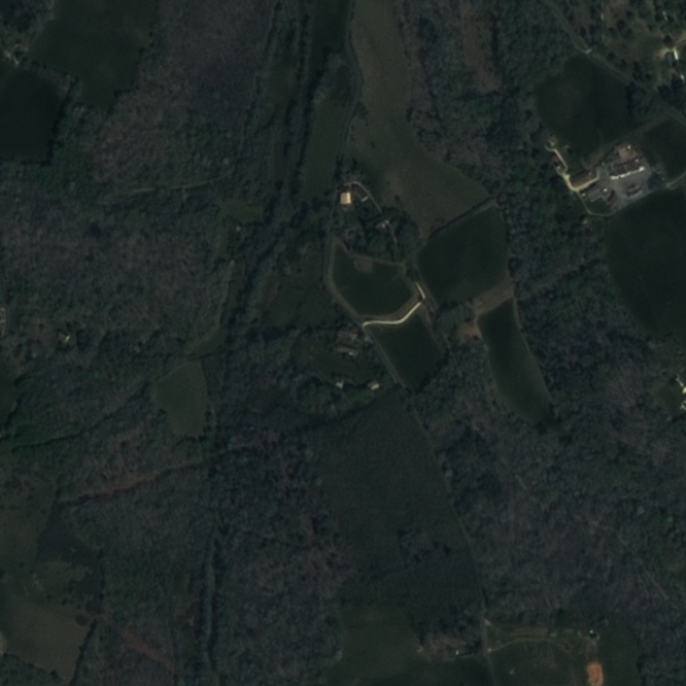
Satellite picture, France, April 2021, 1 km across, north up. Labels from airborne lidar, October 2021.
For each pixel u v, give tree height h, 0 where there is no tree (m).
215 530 8
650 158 0
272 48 22
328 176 0
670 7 22
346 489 10
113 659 7
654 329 0
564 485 19
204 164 18
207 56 14
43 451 16
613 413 22
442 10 18
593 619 16
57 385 18
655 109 18
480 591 19
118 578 21
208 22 13
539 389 0
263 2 12
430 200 0
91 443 18
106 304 20
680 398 0
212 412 14
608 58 14
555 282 21
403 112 0
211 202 14
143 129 11
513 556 15
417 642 0
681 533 21
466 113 22
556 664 0
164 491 18
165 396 0
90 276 12
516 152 26
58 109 0
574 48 18
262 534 11
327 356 0
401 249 10
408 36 6
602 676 0
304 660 24
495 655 0
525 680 0
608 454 28
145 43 0
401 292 0
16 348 7
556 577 22
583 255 15
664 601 18
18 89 0
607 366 17
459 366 14
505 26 15
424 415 14
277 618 19
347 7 0
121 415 19
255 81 15
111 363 19
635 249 0
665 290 0
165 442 20
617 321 17
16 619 0
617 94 0
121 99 16
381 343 0
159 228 15
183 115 12
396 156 0
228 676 22
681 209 0
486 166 17
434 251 0
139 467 11
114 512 20
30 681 16
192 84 8
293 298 0
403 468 12
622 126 0
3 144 0
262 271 24
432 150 18
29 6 10
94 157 7
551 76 15
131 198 19
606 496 23
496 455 12
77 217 15
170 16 13
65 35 0
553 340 29
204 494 22
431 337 0
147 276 14
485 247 0
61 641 0
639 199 0
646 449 21
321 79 15
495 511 19
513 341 0
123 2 0
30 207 11
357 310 0
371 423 11
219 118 19
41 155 0
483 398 17
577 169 0
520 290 15
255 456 13
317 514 8
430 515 9
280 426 22
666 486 26
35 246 11
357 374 0
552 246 21
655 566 27
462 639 18
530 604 19
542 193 19
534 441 24
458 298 0
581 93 0
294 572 12
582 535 13
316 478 13
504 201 17
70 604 11
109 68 0
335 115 0
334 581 12
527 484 15
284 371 13
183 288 12
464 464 17
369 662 0
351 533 9
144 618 15
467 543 12
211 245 15
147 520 22
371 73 0
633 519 19
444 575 19
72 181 18
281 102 0
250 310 21
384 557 9
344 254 0
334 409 17
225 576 23
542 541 20
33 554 0
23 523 0
